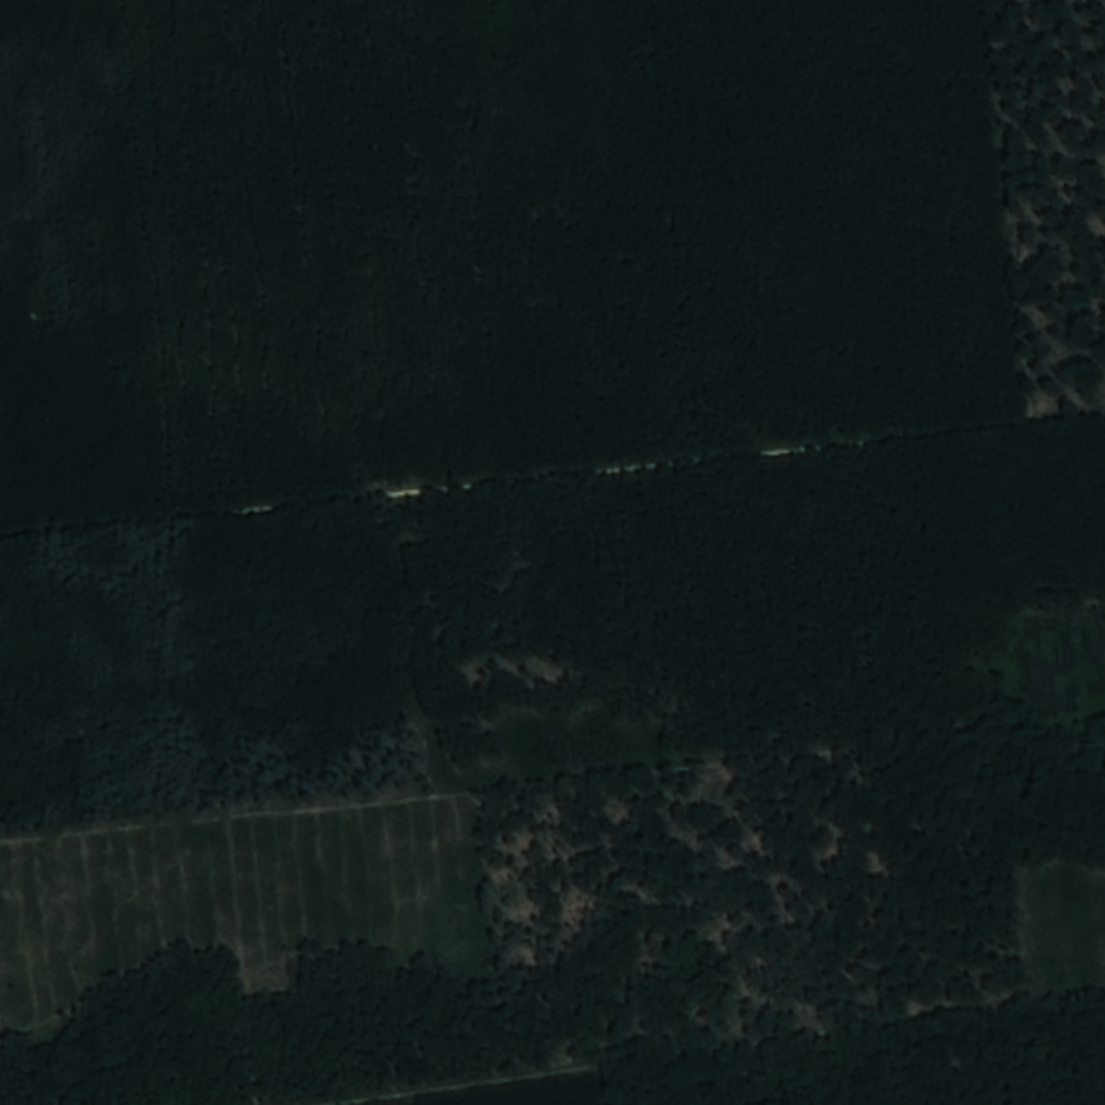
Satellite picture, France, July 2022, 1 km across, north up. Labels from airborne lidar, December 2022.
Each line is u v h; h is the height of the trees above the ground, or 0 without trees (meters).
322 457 15
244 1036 21
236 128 23
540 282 19
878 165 23
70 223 8
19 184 12
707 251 18
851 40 22
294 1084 14
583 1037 28
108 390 9
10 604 17
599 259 18
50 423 15
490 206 19
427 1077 24
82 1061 21
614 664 21
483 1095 8
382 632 23
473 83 15
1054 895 0
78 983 0
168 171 19
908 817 28
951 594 25
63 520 15
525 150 15
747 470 17
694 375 15
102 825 25
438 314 14
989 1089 22
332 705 22
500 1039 27
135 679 15
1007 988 28
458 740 20
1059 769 22
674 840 23
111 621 20
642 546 22
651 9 19
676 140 21
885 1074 24
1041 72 31
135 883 0
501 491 21
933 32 19
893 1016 24
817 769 24
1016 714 24
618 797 24
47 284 6
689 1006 26
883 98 20
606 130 13
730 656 22
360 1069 21
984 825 31
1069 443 24
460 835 0
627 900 10
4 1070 22
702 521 21
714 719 22
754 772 28
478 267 21
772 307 19
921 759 29
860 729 24
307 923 0
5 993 0
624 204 18
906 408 22
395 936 0
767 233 19
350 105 24
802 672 23
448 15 13
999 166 19
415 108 18
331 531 20
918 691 25
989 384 21
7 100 13
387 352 6
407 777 28
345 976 22
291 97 20
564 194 14
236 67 15
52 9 13
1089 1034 24
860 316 21
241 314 9
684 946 23
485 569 21
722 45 22
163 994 22
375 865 0
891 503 23
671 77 19
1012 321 19
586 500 18
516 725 0
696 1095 26
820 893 27
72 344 11
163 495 20
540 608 24
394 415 12
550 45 12
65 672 21
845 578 22
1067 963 0
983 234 21
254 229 19
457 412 16
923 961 26
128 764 23
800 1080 22
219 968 19
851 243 20
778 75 21
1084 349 30
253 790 32
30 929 0
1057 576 23
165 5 11
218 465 21
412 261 18
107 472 15
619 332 23
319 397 16
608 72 14
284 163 23
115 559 22
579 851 20
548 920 18
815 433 20
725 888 28
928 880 24
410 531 25
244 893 0
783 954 24
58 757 20
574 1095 10
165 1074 29
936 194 24
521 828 18
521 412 19
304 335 10
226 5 14
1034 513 22
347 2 23
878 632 24
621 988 26
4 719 19
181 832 0
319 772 23
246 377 13
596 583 24
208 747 20
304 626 21
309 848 0
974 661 20
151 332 13
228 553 22
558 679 0
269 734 22
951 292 22
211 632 19
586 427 25
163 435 11
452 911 0
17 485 12
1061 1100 27
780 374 20
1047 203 30
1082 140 33
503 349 13
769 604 23
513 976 23
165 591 23
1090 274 32
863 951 28
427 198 23
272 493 20
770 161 20
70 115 10
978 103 20
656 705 22
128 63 8
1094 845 30
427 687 21
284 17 17
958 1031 24
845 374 19
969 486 23
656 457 13
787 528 20
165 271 16
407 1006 23
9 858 0
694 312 20
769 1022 22
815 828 30
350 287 11
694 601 24
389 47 21
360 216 22
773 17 23
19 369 11
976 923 28
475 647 24
